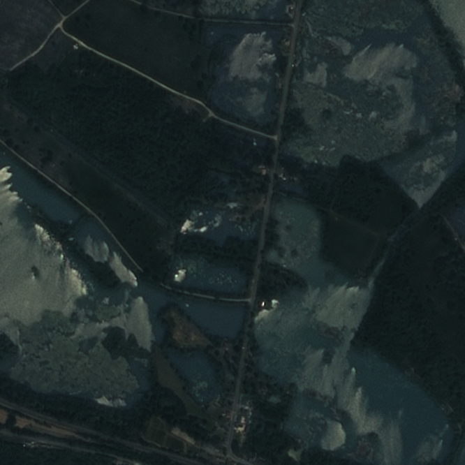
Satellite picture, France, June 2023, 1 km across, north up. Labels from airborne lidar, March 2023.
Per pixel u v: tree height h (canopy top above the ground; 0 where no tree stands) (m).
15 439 0
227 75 0
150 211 0
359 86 0
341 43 0
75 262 0
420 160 0
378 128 0
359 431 0
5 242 0
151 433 0
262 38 0
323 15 0
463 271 15
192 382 0
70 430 0
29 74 10
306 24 0
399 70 0
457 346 0
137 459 11
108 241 0
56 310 0
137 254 0
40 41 0
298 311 0
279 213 0
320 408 0
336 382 0
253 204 0
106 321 0
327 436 0
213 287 0
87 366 0
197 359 0
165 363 0
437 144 0
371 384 0
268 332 0
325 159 0
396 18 0
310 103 0
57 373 0
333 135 0
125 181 15
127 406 0
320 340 0
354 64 0
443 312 0
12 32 0
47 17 0
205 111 0
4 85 8
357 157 0
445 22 0
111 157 13
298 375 0
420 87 0
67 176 0
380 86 0
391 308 9
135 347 0
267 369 0
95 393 0
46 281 0
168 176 18
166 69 0
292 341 0
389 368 0
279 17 0
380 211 0
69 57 0
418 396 0
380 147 0
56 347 0
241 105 0
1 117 0
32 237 0
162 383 0
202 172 13
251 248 0
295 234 0
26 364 0
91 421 6
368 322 10
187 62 0
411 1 0
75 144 14
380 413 0
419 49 0
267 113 0
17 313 0
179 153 15
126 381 0
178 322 0
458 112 11
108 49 0
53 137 0
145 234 0
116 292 0
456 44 0
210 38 0
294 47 0
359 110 0
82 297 0
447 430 0
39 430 0
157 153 5
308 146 0
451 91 0
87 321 0
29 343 0
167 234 0
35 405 10
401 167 0
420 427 0
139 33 0
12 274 0
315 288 0
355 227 0
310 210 0
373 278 0
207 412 0
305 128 7
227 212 0
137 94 13
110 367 0
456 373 11
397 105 0
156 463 15
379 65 0
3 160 0
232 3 0
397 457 0
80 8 0
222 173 6
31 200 0
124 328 0
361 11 0
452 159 0
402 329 7
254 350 10
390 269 9
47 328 0
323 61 0
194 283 0
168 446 0
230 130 12
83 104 12
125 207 0
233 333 0
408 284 8
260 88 0
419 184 0
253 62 0
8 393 28
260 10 0
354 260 0
